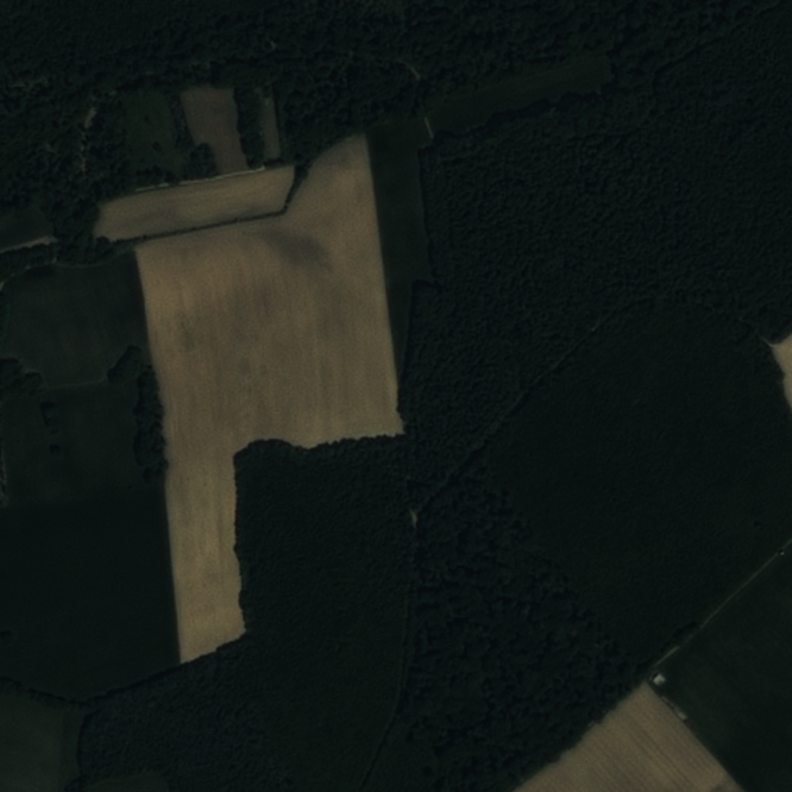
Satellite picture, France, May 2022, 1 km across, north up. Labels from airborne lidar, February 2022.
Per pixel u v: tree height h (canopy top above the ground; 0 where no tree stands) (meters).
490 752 14
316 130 21
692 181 21
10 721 0
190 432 0
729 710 0
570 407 13
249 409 0
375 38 10
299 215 0
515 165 25
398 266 0
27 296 0
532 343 21
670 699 0
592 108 26
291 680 11
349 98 19
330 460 17
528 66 22
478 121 0
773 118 17
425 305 18
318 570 15
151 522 0
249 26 16
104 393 0
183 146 8
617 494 12
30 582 0
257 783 18
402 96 24
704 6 23
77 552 0
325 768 9
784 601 0
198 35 17
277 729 11
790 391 0
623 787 0
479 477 10
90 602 0
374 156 0
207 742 16
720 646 0
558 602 30
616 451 12
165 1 10
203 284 0
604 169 26
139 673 0
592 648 26
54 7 18
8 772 0
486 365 26
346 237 0
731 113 9
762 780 0
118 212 0
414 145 0
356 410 0
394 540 18
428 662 26
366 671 11
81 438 0
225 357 0
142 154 0
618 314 15
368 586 13
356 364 0
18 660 0
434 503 22
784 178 20
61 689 0
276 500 14
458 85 26
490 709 30
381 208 0
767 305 17
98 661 0
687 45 17
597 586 11
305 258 0
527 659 28
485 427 23
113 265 0
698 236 21
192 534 0
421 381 14
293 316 0
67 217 24
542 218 25
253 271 0
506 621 27
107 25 15
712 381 13
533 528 12
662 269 22
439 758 27
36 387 10
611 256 23
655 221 22
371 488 19
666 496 12
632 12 27
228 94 0
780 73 18
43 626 0
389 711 10
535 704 26
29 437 0
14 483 0
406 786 11
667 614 11
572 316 16
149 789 0
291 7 23
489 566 28
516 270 19
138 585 0
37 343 0
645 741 0
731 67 18
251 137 16
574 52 28
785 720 0
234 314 0
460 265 17
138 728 12
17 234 0
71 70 25
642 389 12
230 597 0
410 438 14
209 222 0
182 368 0
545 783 0
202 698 14
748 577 8
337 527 13
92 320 0
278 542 13
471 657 30
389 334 0
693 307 10
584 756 0
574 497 10
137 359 9
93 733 12
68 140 11
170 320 0
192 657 0
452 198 17
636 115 24
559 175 27
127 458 0
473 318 22
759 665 0
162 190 0
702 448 14
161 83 22
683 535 12
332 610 14
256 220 0
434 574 14
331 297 0
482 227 11
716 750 0
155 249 0
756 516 11
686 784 0
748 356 11
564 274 21
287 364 0
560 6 26
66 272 0
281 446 11
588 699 24
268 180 0
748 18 22
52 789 0
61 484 0
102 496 0
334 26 28
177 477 0
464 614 28
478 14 26
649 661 14
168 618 0
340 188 0
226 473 0
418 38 20
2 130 7
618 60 22
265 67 21
